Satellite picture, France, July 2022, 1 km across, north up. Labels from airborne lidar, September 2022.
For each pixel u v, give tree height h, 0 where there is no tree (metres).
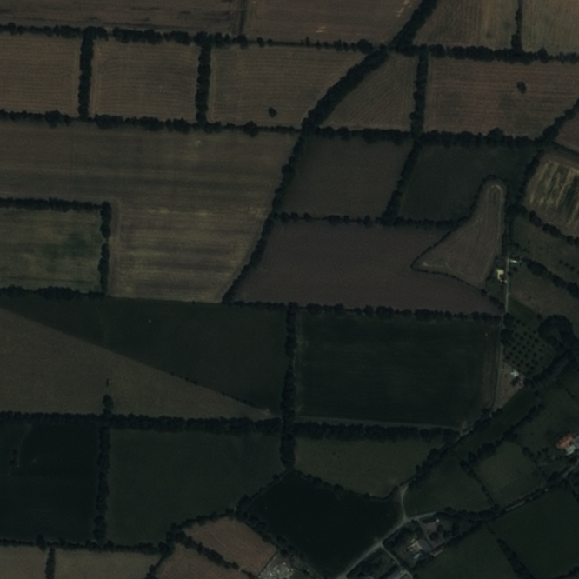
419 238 0
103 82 0
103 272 14
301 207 0
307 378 0
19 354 0
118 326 0
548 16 0
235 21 0
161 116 0
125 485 0
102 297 13
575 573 14
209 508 0
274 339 0
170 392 0
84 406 0
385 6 0
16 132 0
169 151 0
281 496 0
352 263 0
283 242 0
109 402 16
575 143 0
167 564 0
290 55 0
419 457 0
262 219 0
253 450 0
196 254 0
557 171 0
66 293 17
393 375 0
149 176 0
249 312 0
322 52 0
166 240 0
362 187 0
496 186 0
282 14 0
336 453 0
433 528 0
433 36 0
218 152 0
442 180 0
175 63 0
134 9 0
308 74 0
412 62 0
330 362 0
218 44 16
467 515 17
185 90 0
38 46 0
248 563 0
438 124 0
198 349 0
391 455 0
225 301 9
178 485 0
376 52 7
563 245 0
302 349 0
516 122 0
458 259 0
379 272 0
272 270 0
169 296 0
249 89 0
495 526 0
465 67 0
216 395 0
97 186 0
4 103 0
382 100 0
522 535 0
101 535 25
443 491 0
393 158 0
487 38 0
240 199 0
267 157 0
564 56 15
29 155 0
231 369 0
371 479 0
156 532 0
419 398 0
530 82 0
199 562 0
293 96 0
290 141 0
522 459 0
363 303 0
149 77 0
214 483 0
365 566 17
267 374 0
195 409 0
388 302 0
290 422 19
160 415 0
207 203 0
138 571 0
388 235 0
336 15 0
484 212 0
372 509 0
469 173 0
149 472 0
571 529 0
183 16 0
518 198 14
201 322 0
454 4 0
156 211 0
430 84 0
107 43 0
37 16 0
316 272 0
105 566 0
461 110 0
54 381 0
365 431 17
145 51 0
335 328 0
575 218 0
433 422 0
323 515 0
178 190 0
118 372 0
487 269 0
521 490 0
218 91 0
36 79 0
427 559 25
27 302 0
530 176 13
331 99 22
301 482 0
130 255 0
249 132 12
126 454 0
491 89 0
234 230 0
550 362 0
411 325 0
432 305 0
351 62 0
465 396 0
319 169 0
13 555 0
